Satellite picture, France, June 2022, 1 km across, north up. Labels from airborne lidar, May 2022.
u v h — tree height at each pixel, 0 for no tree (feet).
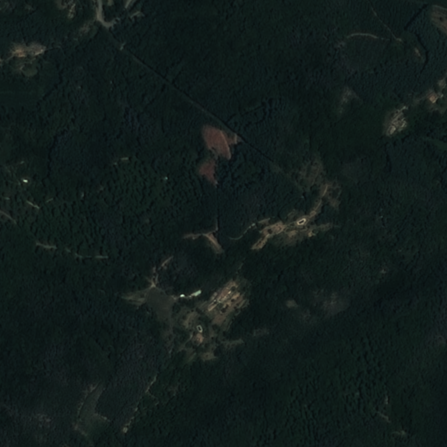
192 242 38
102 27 58
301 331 40
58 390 40
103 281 73
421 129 53
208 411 81
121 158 49
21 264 72
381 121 50
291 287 83
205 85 67
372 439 83
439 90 43
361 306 62
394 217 26
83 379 35
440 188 48
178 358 44
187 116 63
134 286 69
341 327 77
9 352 54
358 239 25
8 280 49
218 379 59
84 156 128
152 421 52
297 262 41
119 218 66
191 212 63
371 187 68
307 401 56
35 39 94
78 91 51
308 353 95
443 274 66
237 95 61
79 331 52
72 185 77
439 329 51
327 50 30
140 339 24
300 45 72
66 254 42
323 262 52
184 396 56
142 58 77
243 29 44
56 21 51
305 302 58
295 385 63
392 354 39
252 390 82
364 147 61
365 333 68
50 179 86
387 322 62
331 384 46
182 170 33
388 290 78
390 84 85
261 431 46
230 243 60
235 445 57
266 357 82
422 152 41
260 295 31
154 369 51
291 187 100
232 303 23
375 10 27
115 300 36
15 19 64
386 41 21
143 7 51
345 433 50
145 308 42
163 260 51
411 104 36
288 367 110
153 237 44
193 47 65
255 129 101
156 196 50
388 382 57
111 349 38
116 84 36
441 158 103
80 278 60
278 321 50
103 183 64
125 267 68
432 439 76
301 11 53
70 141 97
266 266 41
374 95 104
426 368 40
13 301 56
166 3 75
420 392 73
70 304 49
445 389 106
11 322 57
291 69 64
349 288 52
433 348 34
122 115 52
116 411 47
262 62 65
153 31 85
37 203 27
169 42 81
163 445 80
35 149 32
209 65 55
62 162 112
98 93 79
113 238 76
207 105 69
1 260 42
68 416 41
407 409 68
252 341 45
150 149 62
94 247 42
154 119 64
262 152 82
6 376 41
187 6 52
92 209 56
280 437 48
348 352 54
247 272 25
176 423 68
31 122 42
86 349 32
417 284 52
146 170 48
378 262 63
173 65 58
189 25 72
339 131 70
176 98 82
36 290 53
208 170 0
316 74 49
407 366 55
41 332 53
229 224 53
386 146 49
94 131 80
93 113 50
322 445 79
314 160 51
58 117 72
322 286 63
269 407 80
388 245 20
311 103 49
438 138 118
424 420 66
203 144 49
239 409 67
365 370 51
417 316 56
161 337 46
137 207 30
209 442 55
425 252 43
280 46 87
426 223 23
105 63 48
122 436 60
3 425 42
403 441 77
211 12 63
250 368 77
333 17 45
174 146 61
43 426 31
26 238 54
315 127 70
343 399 33
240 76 72
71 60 72
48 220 30
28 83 31
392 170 78
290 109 87
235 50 81
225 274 35
